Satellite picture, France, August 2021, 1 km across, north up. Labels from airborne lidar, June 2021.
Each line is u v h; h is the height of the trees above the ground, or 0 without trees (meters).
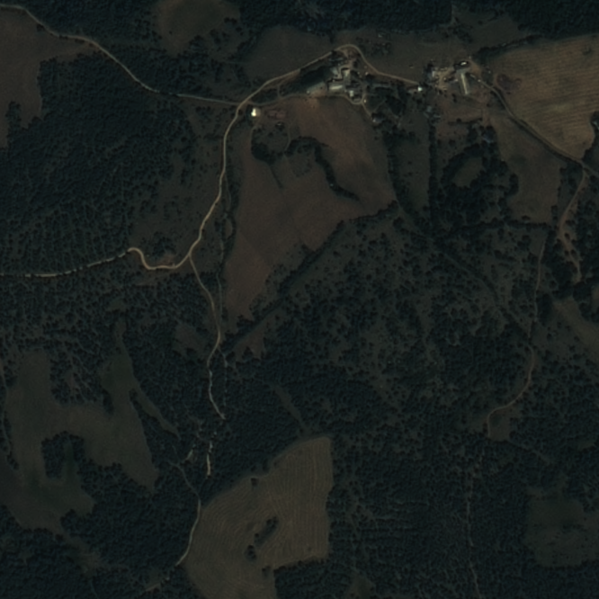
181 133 7
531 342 8
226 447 7
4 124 0
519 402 8
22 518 0
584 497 14
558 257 7
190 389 10
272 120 0
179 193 0
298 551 0
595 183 7
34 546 12
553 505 0
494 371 6
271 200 0
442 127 0
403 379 6
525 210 0
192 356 14
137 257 0
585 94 0
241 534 0
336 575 9
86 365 10
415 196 0
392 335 6
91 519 12
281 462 0
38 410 0
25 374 0
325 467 0
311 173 0
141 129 7
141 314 8
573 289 8
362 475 9
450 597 10
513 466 12
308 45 0
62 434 9
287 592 7
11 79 0
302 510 0
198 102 0
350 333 7
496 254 8
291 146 9
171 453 13
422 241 6
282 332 9
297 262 0
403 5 10
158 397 6
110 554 8
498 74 0
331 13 11
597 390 9
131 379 0
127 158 11
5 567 9
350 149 0
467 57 0
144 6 6
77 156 8
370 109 0
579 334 0
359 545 11
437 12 7
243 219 0
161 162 8
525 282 6
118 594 8
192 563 0
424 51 0
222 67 6
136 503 8
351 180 0
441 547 8
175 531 8
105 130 7
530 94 0
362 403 10
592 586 13
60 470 12
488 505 11
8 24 0
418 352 6
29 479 0
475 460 8
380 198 0
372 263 0
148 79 9
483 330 6
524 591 9
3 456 0
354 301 7
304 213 0
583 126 0
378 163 0
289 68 0
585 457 8
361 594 0
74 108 6
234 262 0
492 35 0
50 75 6
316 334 8
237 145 0
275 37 0
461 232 10
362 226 5
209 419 10
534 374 9
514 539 10
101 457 0
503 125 0
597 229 8
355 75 7
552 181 0
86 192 8
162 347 10
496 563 14
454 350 9
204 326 7
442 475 11
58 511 0
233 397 8
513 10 10
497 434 0
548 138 0
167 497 8
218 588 0
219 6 0
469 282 7
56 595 11
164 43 0
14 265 9
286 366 9
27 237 6
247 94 0
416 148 0
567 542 0
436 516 10
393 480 7
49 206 7
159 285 9
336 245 0
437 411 10
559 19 12
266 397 7
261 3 13
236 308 0
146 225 0
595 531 0
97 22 8
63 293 8
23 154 7
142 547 11
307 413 6
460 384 8
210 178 0
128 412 0
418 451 9
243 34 6
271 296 0
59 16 10
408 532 10
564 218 0
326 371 10
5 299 12
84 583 13
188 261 0
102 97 6
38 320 11
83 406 0
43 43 0
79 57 7
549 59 0
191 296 10
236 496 0
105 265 8
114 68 6
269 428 8
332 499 6
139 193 6
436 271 7
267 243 0
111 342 11
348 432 8
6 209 6
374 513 7
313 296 8
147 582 10
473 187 10
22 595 9
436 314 6
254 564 0
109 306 11
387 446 9
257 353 0
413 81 0
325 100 0
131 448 0
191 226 0
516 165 0
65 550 22
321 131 0
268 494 0
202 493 8
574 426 10
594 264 8
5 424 9
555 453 9
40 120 7
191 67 8
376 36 0
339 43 0
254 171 0
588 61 0
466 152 11
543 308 12
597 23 11
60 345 7
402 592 11
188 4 0
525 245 9
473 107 0
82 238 11
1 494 0
